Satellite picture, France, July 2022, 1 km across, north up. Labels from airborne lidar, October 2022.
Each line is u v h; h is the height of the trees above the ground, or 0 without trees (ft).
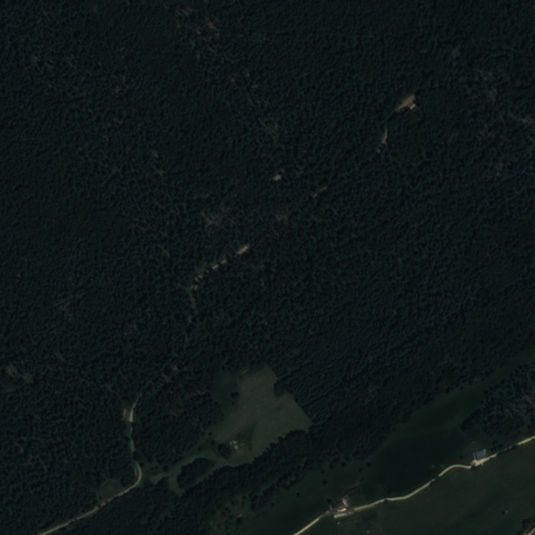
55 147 46
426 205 61
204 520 48
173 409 63
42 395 84
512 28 81
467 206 42
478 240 53
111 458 34
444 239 39
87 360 65
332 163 83
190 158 75
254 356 19
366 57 57
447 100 74
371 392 88
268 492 58
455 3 53
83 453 47
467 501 0
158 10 67
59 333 33
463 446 0
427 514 0
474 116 20
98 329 45
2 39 71
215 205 68
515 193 54
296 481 33
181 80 73
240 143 95
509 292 95
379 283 54
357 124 66
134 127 88
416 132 62
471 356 52
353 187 56
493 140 55
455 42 77
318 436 63
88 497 57
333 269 81
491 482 0
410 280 41
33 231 47
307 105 79
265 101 56
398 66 78
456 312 41
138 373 54
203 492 60
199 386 73
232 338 43
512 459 0
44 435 65
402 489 0
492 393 34
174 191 55
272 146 79
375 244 67
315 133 60
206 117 59
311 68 61
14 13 62
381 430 52
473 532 0
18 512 50
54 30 75
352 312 60
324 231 77
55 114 48
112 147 64
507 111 81
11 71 45
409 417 66
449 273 73
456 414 0
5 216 54
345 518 0
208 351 49
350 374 75
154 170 55
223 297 25
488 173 78
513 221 82
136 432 45
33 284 44
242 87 92
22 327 51
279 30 62
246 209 87
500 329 66
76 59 77
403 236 67
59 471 45
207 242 47
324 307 76
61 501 53
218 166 78
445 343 39
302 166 87
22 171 55
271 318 25
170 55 62
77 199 49
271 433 0
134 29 54
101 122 73
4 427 55
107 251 57
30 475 68
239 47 67
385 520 0
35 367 94
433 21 91
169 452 65
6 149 39
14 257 54
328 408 57
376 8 76
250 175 109
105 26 87
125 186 77
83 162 27
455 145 91
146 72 78
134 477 61
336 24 54
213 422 53
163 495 23
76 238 45
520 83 29
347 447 63
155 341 58
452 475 0
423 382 57
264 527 0
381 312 65
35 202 49
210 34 91
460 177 69
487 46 56
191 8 75
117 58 81
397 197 49
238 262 86
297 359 64
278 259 78
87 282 38
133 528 47
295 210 67
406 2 71
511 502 0
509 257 66
